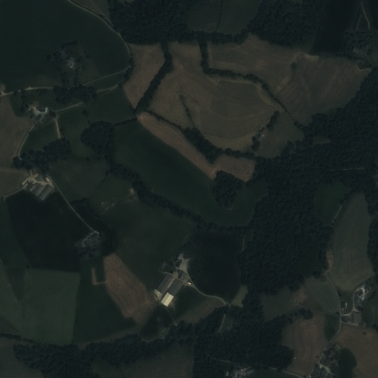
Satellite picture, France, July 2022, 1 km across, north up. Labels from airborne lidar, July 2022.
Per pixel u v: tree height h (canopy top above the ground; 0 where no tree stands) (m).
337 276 0
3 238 0
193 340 9
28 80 0
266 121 0
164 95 0
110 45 0
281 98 0
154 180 0
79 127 0
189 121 0
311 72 0
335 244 0
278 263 21
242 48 0
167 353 0
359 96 19
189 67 0
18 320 0
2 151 0
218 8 0
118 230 0
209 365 21
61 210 0
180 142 0
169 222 0
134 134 0
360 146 29
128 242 0
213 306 0
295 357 0
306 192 24
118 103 0
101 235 13
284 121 0
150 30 22
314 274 16
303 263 0
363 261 0
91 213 9
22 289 0
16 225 0
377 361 0
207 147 19
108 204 0
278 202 22
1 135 0
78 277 0
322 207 0
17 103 0
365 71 0
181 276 0
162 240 0
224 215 0
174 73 0
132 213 0
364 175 6
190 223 0
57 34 0
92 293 0
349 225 0
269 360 30
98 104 0
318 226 13
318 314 0
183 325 17
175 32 19
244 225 0
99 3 0
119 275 0
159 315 0
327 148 28
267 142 0
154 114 6
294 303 0
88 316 0
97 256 0
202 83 0
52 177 0
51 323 0
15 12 0
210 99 0
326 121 22
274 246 24
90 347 11
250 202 0
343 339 0
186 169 0
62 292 0
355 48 0
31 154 17
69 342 0
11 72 0
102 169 0
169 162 0
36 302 0
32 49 0
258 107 0
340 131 22
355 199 0
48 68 0
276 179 29
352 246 0
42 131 0
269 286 25
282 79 0
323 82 0
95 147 27
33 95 0
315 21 27
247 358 25
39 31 0
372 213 20
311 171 18
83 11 0
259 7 0
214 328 22
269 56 0
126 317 0
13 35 0
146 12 19
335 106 0
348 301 0
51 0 0
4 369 0
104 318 0
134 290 0
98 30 0
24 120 0
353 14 0
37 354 18
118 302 0
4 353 0
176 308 0
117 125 10
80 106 0
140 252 0
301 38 24
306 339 0
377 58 0
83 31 0
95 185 0
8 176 0
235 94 0
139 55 0
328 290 0
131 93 0
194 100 0
